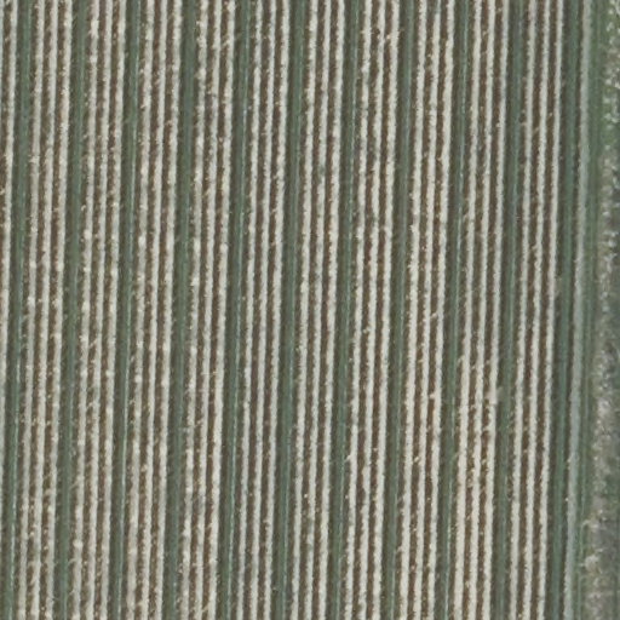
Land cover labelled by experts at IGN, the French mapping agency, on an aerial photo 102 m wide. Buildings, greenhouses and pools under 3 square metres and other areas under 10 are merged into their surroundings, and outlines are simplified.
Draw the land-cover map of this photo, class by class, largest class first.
<instances>
[{"label":"vineyard","instance_id":"1","mask_svg":"<svg viewBox=\"0 0 620 620\"><path fill-rule=\"evenodd\" d=\"M0 620H620V0H0Z\"/></svg>","mask_w":620,"mask_h":620}]
</instances>
